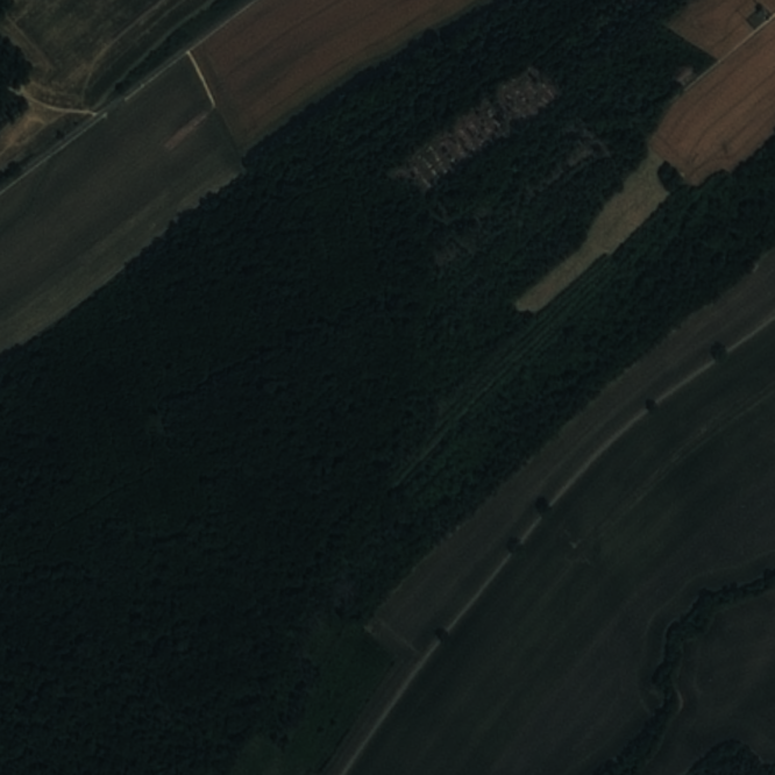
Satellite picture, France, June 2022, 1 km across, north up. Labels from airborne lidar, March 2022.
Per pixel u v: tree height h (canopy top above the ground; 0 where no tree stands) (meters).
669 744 0
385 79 22
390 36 0
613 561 0
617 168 10
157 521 6
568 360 7
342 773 0
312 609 21
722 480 0
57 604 13
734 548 0
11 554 6
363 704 0
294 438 17
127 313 7
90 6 0
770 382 0
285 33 0
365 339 12
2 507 17
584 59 19
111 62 0
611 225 0
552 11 24
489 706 0
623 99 14
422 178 9
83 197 0
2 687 19
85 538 7
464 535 0
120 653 8
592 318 9
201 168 0
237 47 0
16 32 0
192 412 16
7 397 16
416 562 10
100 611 16
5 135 0
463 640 0
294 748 0
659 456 0
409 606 0
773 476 0
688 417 0
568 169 14
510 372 6
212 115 0
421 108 22
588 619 0
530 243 15
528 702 0
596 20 19
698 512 0
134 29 0
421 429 16
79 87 0
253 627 19
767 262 0
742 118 0
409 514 17
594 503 0
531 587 0
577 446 0
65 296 0
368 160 23
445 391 14
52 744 20
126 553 13
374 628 0
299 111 0
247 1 0
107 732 7
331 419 16
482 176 16
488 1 0
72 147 0
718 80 0
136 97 0
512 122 17
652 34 15
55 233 0
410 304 20
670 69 6
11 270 0
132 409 5
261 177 17
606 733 0
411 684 0
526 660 0
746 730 0
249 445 9
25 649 20
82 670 20
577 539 0
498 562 0
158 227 0
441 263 0
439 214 0
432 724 0
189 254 13
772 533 0
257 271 14
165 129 0
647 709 0
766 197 23
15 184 0
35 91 0
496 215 7
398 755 0
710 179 8
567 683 0
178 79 0
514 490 0
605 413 0
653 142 0
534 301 0
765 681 0
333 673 0
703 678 0
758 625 0
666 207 10
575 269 0
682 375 0
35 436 19
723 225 20
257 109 0
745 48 0
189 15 0
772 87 0
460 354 7
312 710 0
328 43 0
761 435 0
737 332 0
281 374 14
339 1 0
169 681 19
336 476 20
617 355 22
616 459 0
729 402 0
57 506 5
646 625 0
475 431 19
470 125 19
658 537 0
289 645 20
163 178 0
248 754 0
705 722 0
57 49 0
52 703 19
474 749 0
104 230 0
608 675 0
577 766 0
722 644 0
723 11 0
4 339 0
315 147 20
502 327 11
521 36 24
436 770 0
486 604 0
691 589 0
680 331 0
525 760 0
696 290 22
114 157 0
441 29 0
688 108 0
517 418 21
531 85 14
